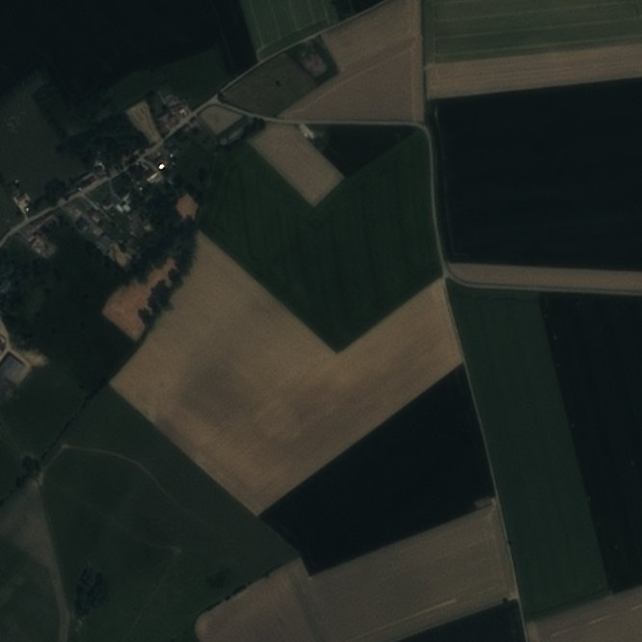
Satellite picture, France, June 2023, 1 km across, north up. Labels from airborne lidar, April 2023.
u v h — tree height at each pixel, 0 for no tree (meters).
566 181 0
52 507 0
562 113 0
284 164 0
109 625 0
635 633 0
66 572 0
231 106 0
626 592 0
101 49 0
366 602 0
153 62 0
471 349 0
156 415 0
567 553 0
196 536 0
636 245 0
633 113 0
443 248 0
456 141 0
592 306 0
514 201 0
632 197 0
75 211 0
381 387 0
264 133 0
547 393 0
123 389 0
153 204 14
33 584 0
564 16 0
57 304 0
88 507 0
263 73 0
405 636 0
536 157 0
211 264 0
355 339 0
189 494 0
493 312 0
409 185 0
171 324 0
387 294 0
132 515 0
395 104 0
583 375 0
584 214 0
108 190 0
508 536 0
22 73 0
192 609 0
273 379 0
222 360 0
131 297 0
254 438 0
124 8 0
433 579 0
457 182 0
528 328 0
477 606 0
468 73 0
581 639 0
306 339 0
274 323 0
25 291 10
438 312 0
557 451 0
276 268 0
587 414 0
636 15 0
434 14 0
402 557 0
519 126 0
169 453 0
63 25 0
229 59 0
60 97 0
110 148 20
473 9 0
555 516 0
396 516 0
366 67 0
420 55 0
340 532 0
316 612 0
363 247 0
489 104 0
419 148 0
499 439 0
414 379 0
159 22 0
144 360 0
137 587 0
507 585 0
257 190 0
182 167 0
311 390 0
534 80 0
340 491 0
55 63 0
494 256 0
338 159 0
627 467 0
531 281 0
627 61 0
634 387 0
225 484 0
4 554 0
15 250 0
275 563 0
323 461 0
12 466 0
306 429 0
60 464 0
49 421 0
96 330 0
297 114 0
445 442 0
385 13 0
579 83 0
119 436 0
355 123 0
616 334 0
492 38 0
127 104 0
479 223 0
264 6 0
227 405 0
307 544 0
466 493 0
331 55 0
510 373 0
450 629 0
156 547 0
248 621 0
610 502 0
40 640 0
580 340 0
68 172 0
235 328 0
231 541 0
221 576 0
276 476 0
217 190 0
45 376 0
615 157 0
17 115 0
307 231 0
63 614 0
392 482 0
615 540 0
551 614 0
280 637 0
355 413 0
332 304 0
